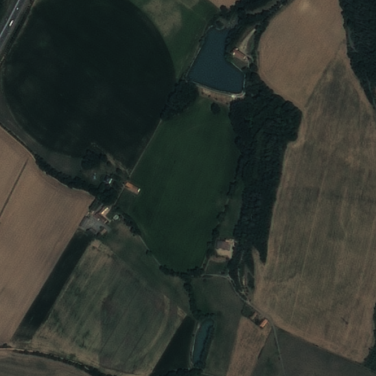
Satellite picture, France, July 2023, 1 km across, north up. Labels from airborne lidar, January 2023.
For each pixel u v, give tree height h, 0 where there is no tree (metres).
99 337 0
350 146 0
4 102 0
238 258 8
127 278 0
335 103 0
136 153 0
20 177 0
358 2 24
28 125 0
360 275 0
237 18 0
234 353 0
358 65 18
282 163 9
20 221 0
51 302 0
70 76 0
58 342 0
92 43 0
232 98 0
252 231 14
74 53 0
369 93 15
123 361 0
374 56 27
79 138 0
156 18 0
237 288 6
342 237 0
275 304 0
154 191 0
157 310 0
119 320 0
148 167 0
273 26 0
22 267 0
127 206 0
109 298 0
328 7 0
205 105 0
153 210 0
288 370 0
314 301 0
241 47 0
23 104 0
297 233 0
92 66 0
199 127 0
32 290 0
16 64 0
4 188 0
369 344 0
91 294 0
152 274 0
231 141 0
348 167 0
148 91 0
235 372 0
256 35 7
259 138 25
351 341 0
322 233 0
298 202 0
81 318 0
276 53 0
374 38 22
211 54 0
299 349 0
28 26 0
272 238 0
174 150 0
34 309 0
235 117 30
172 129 0
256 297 0
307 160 0
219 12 0
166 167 0
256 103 19
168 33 0
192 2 0
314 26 0
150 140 0
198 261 0
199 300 0
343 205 0
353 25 20
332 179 0
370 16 26
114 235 0
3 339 0
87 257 0
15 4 0
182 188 0
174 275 14
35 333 0
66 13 0
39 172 0
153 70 0
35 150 0
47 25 0
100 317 0
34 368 0
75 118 0
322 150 0
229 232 0
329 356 0
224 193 0
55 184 0
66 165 0
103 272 0
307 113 0
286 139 18
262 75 0
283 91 0
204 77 0
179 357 0
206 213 0
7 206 0
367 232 0
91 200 0
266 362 0
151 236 0
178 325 0
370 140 0
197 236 0
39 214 0
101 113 0
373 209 0
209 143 0
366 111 0
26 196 0
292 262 0
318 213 0
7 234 0
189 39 0
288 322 0
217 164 0
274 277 0
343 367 0
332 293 0
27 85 0
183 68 0
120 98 0
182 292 0
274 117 15
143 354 0
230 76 0
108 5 0
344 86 0
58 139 0
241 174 28
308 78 0
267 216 12
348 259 0
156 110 0
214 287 0
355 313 0
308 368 0
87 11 0
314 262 0
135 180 0
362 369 0
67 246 0
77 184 21
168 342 0
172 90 0
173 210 0
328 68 0
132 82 0
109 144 0
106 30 0
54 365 0
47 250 0
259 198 12
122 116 0
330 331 0
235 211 0
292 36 0
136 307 0
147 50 0
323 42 0
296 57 0
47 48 0
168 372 0
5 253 0
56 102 0
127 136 0
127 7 0
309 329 0
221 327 0
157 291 0
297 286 0
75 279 0
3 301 0
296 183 0
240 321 0
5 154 0
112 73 0
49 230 0
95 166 12
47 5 0
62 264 0
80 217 0
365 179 0
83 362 0
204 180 0
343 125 0
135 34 0
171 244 0
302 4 0
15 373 0
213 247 12
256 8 29
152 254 14
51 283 0
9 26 0
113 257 0
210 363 0
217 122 0
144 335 0
